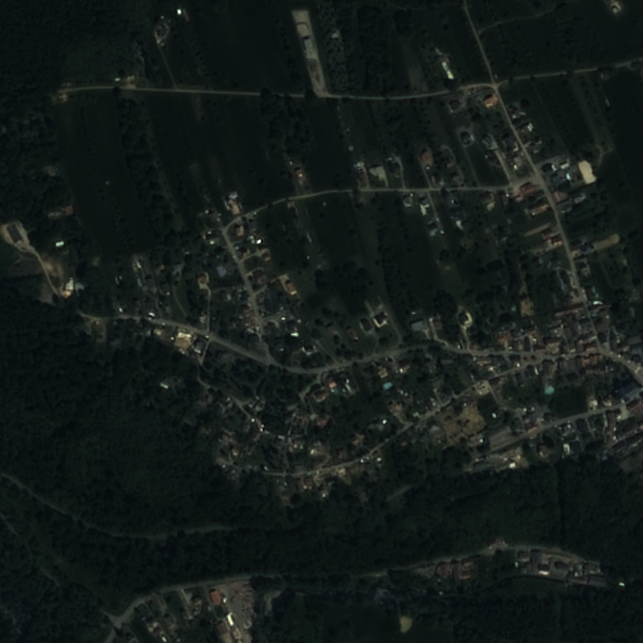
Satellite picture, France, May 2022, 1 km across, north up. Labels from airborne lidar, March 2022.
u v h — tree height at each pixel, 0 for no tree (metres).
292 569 30
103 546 25
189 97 0
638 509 17
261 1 0
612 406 0
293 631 28
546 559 0
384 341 11
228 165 0
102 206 0
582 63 6
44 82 23
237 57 0
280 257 0
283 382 9
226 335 13
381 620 0
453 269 0
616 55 0
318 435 12
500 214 0
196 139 0
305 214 0
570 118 0
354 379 0
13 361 29
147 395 25
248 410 12
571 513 24
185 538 21
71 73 18
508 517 24
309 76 0
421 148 0
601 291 0
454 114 0
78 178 0
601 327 0
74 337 28
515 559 0
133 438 25
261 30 0
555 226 0
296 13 0
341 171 0
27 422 25
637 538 22
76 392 27
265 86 0
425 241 0
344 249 0
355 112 0
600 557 19
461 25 0
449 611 6
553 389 0
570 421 0
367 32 19
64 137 0
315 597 0
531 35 0
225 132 0
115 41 21
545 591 0
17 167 20
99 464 30
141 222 0
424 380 11
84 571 0
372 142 0
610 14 0
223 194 0
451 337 6
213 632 0
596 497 19
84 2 29
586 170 0
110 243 0
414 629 0
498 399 0
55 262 0
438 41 0
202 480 28
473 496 28
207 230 0
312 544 25
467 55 0
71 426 32
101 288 17
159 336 0
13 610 20
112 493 29
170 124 0
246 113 0
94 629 27
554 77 0
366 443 10
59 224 14
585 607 20
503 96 0
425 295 0
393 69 7
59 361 31
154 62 13
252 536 30
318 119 0
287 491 0
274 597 0
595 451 12
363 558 35
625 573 21
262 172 0
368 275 17
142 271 0
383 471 0
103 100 0
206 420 23
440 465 12
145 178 17
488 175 0
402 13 12
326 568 34
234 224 0
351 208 0
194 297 15
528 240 0
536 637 19
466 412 0
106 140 0
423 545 22
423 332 0
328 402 0
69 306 24
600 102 0
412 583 0
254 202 0
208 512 30
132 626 0
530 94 0
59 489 30
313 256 0
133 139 17
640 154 0
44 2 26
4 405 22
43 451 29
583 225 0
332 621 0
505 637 18
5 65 26
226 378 13
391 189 0
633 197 0
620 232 0
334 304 0
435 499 28
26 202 23
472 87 0
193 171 0
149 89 0
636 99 0
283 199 0
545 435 0
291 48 12
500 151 0
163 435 22
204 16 0
